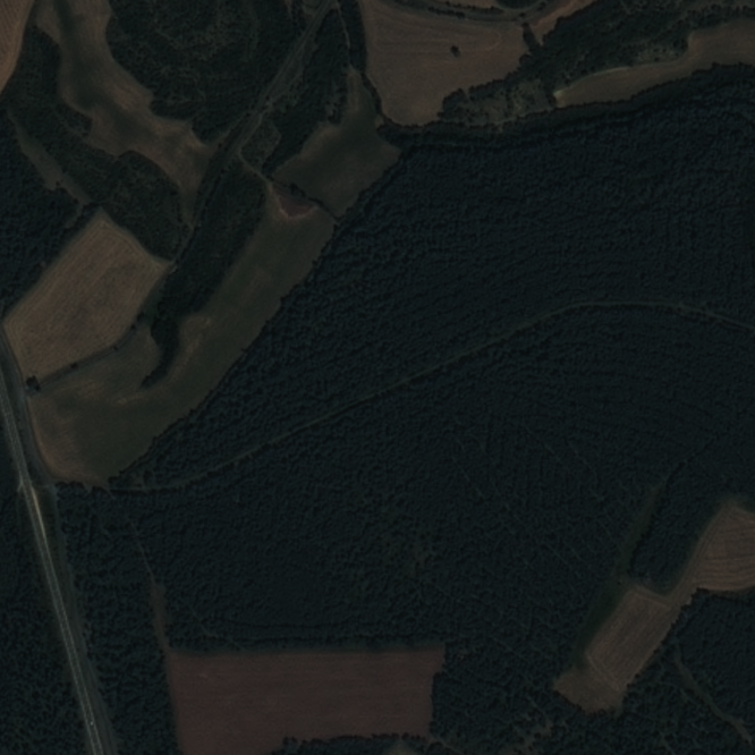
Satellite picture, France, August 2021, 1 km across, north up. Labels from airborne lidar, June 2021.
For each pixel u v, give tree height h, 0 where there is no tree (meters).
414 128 10
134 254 0
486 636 11
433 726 8
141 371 0
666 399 14
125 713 7
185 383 0
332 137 0
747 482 15
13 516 18
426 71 0
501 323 12
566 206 11
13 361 0
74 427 0
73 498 13
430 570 10
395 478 11
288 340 11
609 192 9
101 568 12
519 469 15
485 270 12
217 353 0
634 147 13
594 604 14
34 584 17
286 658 0
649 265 15
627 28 13
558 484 13
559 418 14
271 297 0
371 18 0
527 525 15
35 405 0
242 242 6
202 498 9
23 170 13
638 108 8
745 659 14
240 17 6
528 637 9
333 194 0
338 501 11
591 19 13
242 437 13
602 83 0
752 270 17
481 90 10
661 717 8
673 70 0
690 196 11
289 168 0
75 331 0
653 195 9
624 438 15
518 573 13
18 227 17
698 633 13
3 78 0
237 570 12
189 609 10
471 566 11
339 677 0
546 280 13
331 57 10
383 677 0
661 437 14
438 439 17
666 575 17
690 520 13
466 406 14
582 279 12
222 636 7
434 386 18
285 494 13
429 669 0
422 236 12
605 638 0
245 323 0
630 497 15
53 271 0
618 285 12
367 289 12
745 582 0
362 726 0
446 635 12
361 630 10
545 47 8
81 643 0
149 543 12
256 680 0
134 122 0
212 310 0
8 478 11
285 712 0
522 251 11
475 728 11
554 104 9
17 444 0
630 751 10
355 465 10
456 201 13
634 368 16
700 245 16
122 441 0
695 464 16
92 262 0
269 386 13
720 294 16
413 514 12
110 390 0
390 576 9
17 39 0
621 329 13
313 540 13
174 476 7
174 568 12
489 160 14
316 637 10
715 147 17
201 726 0
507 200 11
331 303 12
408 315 13
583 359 15
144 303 0
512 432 14
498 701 14
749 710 12
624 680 0
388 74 0
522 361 13
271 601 11
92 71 0
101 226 0
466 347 13
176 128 0
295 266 0
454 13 9
